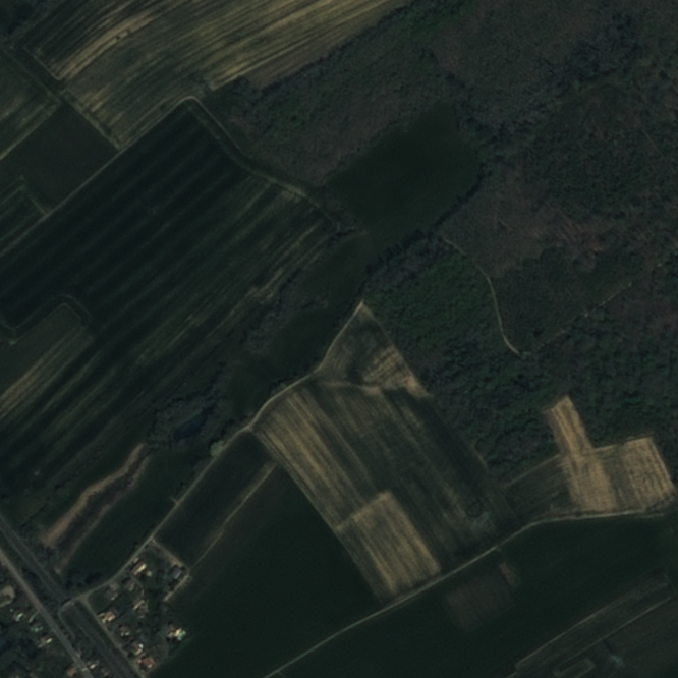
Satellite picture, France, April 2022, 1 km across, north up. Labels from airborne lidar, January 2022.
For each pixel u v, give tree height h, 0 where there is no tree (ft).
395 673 0
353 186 0
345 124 34
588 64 90
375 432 0
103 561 0
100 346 0
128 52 0
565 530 0
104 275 0
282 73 0
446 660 0
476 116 54
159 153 0
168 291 0
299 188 0
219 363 0
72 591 45
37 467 0
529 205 60
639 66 82
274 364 0
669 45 89
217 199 0
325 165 37
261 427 0
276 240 0
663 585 0
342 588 0
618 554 0
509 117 74
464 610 0
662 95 81
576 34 63
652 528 0
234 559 0
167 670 0
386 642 0
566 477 0
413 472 0
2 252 0
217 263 0
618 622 0
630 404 75
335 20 0
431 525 0
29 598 43
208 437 63
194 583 0
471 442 49
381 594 0
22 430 0
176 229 0
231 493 0
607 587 0
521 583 0
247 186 0
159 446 48
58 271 0
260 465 0
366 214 0
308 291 0
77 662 0
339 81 76
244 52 0
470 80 70
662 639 0
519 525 0
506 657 0
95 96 0
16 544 0
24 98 0
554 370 30
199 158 0
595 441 64
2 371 0
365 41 47
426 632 0
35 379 0
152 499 0
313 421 0
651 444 0
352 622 0
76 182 0
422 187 0
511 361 50
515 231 66
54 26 0
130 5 0
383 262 0
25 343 0
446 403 65
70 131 0
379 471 0
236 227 0
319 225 0
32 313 0
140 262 0
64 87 0
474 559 0
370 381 0
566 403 0
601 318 77
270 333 87
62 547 0
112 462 0
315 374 56
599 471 0
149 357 0
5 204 0
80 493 0
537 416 53
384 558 0
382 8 0
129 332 0
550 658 0
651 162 29
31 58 0
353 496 0
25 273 0
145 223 0
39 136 0
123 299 0
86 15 0
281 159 35
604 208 47
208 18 0
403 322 61
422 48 55
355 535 0
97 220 0
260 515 0
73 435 0
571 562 0
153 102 0
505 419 49
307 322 0
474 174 0
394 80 32
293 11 0
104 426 0
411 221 0
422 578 0
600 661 0
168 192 0
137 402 0
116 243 0
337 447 0
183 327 0
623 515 0
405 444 0
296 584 0
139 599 0
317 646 0
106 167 0
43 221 0
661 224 66
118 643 0
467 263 52
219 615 0
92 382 0
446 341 49
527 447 66
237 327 0
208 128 0
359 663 0
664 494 0
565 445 0
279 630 0
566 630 0
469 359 72
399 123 26
